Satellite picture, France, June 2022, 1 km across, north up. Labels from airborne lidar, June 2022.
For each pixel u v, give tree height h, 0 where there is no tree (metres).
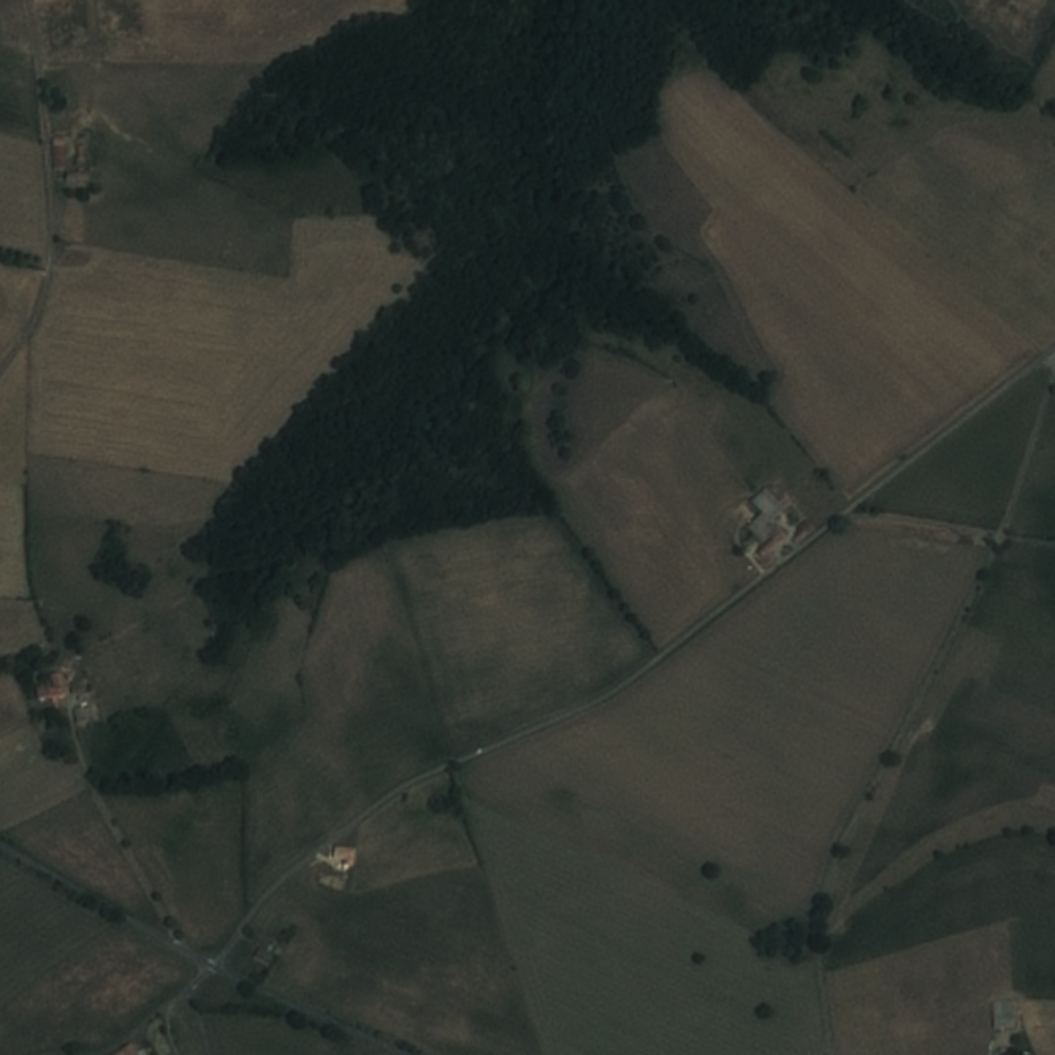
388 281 0
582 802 0
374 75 17
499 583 0
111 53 0
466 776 0
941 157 0
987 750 0
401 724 0
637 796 0
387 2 0
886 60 0
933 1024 0
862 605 0
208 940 0
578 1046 0
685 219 0
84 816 0
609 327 10
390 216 13
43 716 9
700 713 0
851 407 0
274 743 0
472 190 16
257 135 16
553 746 0
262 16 0
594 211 16
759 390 16
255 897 0
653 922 0
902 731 0
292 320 0
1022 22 0
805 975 0
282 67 14
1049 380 0
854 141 0
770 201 0
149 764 0
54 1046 0
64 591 0
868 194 0
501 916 0
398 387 19
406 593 0
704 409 0
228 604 7
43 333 0
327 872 0
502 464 19
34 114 0
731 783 0
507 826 0
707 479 0
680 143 0
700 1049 0
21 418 0
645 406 0
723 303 0
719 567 0
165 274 0
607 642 0
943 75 18
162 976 0
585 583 0
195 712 0
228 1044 0
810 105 0
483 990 0
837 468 0
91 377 0
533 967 0
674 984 0
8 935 0
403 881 0
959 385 0
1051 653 0
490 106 27
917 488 0
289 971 0
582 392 0
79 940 0
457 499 17
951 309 0
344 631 0
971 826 0
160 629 0
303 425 19
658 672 0
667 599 0
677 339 13
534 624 0
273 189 0
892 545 0
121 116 0
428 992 0
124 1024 0
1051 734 0
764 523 0
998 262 0
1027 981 0
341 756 0
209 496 0
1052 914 0
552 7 20
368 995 0
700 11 17
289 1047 0
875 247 0
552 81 15
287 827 0
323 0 0
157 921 0
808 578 0
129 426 0
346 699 0
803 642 0
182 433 0
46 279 0
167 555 0
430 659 0
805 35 19
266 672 0
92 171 0
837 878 0
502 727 0
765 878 0
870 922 0
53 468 0
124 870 0
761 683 0
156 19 0
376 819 0
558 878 0
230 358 0
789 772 0
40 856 0
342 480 29
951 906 0
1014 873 0
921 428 0
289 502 25
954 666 0
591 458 0
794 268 0
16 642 0
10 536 0
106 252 0
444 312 10
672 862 0
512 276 20
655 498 0
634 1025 0
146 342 0
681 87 0
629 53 17
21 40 0
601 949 0
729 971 0
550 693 0
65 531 0
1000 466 0
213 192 0
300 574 0
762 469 0
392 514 16
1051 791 0
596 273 26
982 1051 0
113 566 7
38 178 0
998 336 0
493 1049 0
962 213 0
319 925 0
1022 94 16
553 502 15
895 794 0
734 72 13
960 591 0
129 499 0
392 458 28
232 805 0
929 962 0
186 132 0
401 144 17
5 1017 0
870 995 0
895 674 0
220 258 0
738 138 0
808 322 0
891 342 0
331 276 0
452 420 20
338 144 18
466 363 19
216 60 0
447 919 0
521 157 14
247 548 24
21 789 0
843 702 0
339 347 0
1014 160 0
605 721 0
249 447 0
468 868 0
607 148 16
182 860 0
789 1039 0
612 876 0
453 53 15
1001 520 0
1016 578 0
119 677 0
